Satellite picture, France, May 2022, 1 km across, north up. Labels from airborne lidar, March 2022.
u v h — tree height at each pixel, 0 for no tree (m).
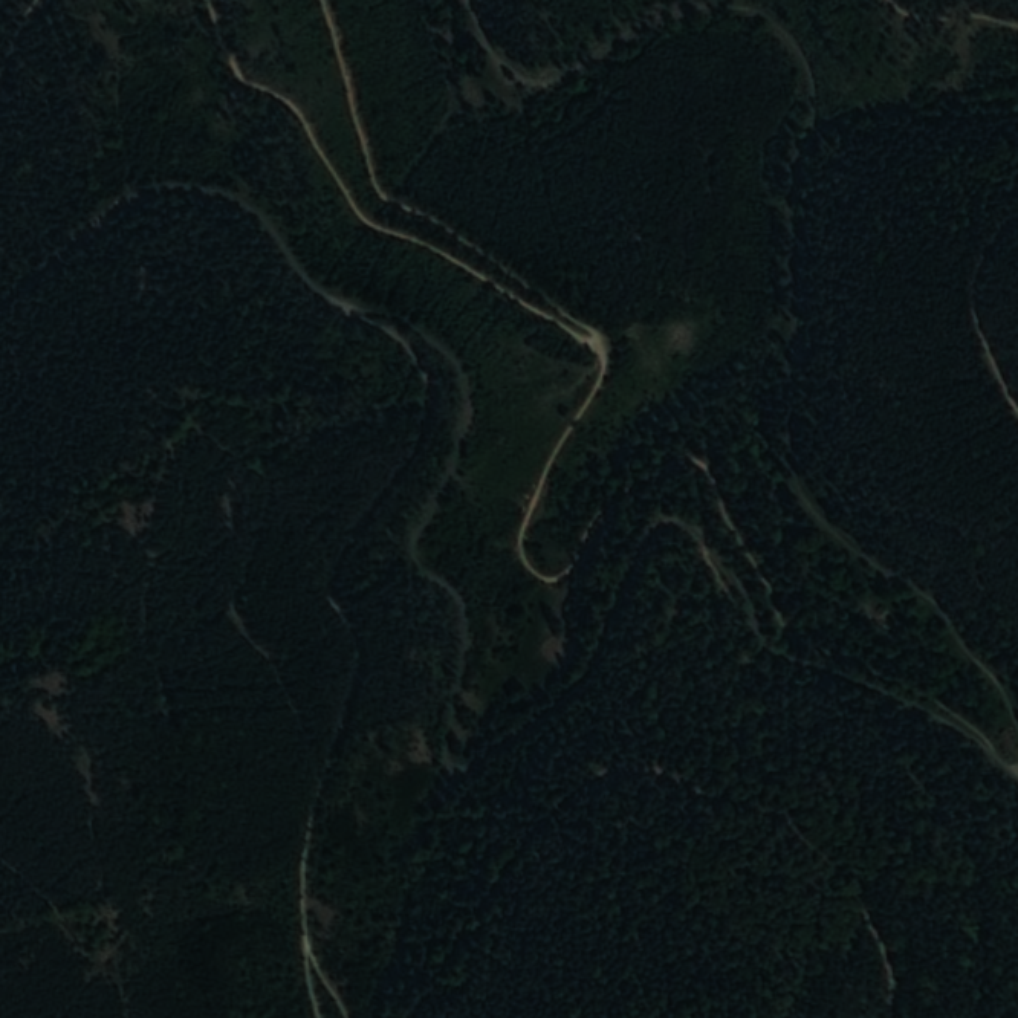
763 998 27
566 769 28
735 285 13
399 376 33
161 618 12
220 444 9
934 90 8
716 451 29
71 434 25
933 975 26
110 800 17
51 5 19
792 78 11
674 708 28
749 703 27
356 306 0
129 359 30
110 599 13
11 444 27
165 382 27
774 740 29
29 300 22
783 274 31
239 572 15
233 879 17
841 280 23
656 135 11
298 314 28
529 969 26
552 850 29
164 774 23
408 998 34
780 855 28
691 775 32
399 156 7
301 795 16
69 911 19
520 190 11
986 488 23
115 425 30
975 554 17
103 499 10
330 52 10
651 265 11
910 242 27
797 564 28
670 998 26
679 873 32
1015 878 31
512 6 28
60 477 28
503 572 6
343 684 19
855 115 10
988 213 27
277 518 21
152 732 20
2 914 23
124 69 13
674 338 0
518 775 8
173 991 9
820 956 24
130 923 10
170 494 12
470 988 26
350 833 8
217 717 19
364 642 27
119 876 18
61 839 13
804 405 33
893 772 28
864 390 29
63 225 29
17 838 15
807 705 31
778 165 7
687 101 11
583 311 14
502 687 0
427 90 8
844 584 22
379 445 24
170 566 11
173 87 7
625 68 14
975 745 12
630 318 13
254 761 19
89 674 8
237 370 27
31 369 23
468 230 12
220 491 13
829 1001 19
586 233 15
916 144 29
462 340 7
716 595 10
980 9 35
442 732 14
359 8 7
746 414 29
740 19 10
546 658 0
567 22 6
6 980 6
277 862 14
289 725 21
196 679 17
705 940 29
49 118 26
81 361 30
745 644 30
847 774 29
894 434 22
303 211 35
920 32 28
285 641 22
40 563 21
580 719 6
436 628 30
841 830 30
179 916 8
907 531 30
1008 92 19
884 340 25
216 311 26
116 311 22
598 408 0
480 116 6
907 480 23
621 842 20
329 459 25
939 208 26
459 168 10
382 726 30
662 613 28
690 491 23
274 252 29
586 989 28
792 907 31
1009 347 19
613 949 25
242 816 19
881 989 15
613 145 11
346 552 29
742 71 14
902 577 29
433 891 8
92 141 31
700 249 8
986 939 29
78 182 24
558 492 11
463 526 11
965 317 20
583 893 25
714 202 9
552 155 15
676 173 14
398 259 7
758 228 11
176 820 24
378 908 7
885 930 23
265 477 13
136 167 11
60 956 6
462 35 15
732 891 30
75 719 15
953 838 31
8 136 27
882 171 30
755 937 29
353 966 11
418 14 10
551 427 0
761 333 13
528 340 9
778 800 27
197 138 9
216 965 9
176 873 11
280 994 8
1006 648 25
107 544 13
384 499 27
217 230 29
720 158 12
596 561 30
